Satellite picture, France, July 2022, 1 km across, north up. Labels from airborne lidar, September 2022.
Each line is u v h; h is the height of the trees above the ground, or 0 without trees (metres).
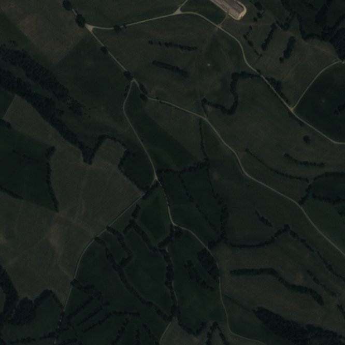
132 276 0
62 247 0
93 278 0
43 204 0
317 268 0
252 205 0
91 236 0
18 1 0
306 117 0
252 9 0
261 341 0
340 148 0
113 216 0
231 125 0
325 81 0
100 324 14
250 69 0
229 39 0
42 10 0
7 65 0
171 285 7
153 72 0
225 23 0
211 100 0
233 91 17
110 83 0
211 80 0
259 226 0
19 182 0
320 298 20
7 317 13
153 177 0
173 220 0
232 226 0
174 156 0
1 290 0
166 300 0
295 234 23
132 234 0
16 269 0
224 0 0
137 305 0
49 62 0
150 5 0
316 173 0
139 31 0
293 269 0
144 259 0
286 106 8
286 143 0
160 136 0
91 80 0
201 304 0
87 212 0
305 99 0
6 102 0
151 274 0
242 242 0
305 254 0
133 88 0
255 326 0
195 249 0
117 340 12
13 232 0
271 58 0
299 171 0
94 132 0
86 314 0
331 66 0
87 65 0
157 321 0
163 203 0
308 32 0
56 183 0
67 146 0
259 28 0
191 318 0
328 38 13
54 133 0
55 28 0
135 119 0
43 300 17
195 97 0
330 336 13
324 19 22
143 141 8
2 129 0
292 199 0
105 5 0
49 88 15
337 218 0
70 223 0
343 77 0
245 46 0
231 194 0
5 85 22
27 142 0
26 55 8
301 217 0
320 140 0
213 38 0
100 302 15
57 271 0
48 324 0
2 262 0
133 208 0
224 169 0
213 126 0
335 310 0
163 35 0
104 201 0
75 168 0
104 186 0
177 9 0
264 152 0
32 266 0
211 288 10
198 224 0
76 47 0
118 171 0
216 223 0
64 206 0
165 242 14
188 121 0
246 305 0
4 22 0
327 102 0
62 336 0
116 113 0
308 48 0
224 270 0
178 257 0
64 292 0
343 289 0
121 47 0
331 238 0
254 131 0
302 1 9
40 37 0
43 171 0
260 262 0
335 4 0
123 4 0
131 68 0
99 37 0
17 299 21
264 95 0
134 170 0
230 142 0
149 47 0
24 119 0
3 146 0
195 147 0
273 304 0
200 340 0
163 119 0
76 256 0
